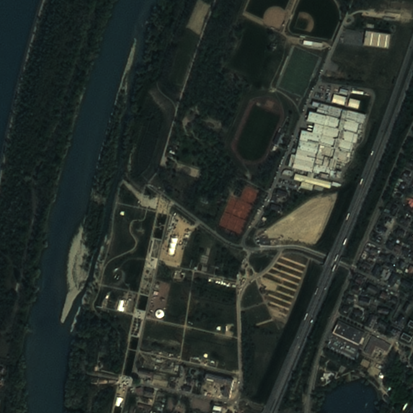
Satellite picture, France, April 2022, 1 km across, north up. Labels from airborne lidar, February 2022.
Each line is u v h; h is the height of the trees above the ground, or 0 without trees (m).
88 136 0
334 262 0
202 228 0
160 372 0
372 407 0
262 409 0
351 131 0
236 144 0
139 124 0
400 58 0
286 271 0
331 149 0
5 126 0
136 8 0
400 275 9
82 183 0
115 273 0
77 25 18
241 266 0
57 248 0
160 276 0
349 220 0
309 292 0
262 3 0
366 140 0
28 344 0
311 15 0
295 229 0
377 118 0
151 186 0
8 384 14
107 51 0
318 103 0
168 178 0
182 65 0
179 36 21
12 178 7
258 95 0
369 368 0
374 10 0
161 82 16
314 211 0
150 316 0
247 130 0
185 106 20
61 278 0
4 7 0
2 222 12
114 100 0
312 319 0
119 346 26
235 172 13
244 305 0
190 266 0
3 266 13
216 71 12
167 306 0
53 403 0
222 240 0
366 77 0
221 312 0
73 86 18
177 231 0
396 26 0
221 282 0
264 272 0
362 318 0
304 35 0
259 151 0
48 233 0
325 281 0
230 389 0
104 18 28
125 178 0
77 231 0
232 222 0
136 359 0
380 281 0
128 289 0
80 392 24
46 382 0
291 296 0
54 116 21
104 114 0
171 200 0
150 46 17
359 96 0
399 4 0
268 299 0
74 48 16
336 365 0
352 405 0
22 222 14
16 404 21
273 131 0
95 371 0
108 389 12
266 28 0
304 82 0
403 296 15
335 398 0
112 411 0
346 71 0
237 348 0
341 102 0
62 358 0
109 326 27
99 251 0
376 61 0
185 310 0
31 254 17
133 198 0
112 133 14
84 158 0
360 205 0
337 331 0
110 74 0
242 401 0
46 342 0
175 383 0
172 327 0
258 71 0
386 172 12
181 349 0
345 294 6
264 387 0
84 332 21
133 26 0
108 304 0
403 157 16
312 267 0
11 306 15
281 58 0
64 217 0
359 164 0
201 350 0
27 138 10
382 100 0
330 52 0
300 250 0
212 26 20
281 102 0
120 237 0
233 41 17
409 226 0
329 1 0
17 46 0
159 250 0
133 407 0
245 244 0
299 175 0
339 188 0
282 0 0
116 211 0
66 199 0
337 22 0
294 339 0
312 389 0
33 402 0
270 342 0
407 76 0
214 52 15
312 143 0
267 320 0
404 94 0
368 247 6
